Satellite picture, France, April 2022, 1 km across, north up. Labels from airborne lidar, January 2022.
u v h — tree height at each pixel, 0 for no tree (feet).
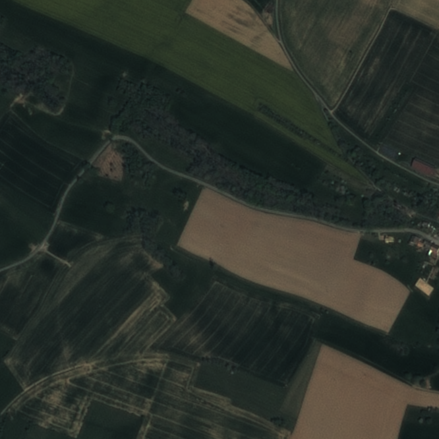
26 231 0
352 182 0
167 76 0
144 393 0
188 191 0
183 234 0
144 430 0
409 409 0
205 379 0
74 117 0
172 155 0
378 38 0
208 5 0
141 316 0
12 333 0
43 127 0
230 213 0
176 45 0
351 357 0
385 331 0
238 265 0
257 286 0
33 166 0
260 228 0
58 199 0
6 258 0
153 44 0
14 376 0
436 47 0
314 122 0
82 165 0
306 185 0
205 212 0
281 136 0
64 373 0
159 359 0
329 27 0
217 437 0
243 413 0
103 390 0
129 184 0
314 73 0
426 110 0
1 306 0
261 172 0
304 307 0
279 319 0
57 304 0
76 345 0
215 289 0
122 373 0
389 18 0
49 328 0
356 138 0
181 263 0
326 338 0
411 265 0
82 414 0
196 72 0
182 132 76
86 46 0
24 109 0
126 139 0
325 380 0
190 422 0
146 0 0
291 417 0
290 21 0
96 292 0
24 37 0
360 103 0
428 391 0
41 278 0
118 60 0
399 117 0
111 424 0
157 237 0
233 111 0
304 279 0
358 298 0
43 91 60
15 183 0
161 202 0
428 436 0
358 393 0
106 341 0
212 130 0
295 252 0
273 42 0
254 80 0
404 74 0
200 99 0
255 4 0
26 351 0
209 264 0
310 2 0
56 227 0
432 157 0
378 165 33
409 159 0
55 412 0
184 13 0
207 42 0
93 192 0
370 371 0
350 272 0
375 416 0
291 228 0
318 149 0
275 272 0
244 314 0
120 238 0
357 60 0
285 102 0
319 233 0
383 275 0
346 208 0
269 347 0
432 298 0
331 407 0
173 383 0
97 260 0
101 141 0
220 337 0
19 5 0
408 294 0
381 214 56
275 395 0
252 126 0
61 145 0
